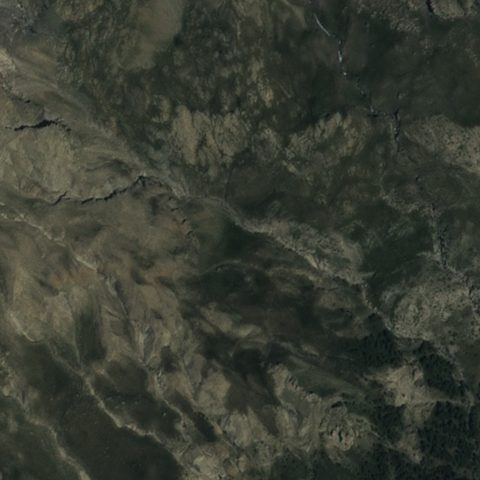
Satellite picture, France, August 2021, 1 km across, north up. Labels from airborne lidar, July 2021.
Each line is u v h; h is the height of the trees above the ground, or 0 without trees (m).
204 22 0
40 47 0
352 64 0
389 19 0
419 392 0
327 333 0
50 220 0
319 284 0
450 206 0
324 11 0
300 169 0
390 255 0
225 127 0
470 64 0
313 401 0
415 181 0
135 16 0
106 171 0
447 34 0
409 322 0
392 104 0
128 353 0
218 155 0
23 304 0
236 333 0
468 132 0
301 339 0
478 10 0
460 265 0
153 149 0
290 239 0
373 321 14
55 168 0
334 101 0
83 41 0
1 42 0
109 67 0
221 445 0
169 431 0
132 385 0
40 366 0
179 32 0
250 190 0
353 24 0
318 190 0
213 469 0
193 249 0
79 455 0
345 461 0
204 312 0
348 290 0
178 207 0
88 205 0
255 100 0
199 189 0
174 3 0
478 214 0
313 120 0
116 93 0
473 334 0
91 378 0
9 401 0
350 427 0
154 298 0
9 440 0
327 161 0
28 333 0
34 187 0
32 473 0
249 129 0
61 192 0
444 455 23
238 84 0
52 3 0
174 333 0
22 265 0
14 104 0
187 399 0
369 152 0
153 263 0
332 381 0
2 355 0
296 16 0
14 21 0
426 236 0
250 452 0
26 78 0
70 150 0
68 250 0
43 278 0
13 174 0
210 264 0
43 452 0
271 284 0
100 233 0
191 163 0
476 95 0
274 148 0
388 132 0
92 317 0
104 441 0
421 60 0
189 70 0
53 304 0
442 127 0
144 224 0
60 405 0
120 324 0
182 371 0
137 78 0
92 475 0
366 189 0
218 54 0
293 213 0
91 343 0
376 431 11
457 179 0
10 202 0
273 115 0
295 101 0
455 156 0
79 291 0
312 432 0
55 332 0
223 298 0
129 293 0
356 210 0
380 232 0
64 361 0
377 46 0
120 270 0
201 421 0
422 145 0
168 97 0
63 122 0
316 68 0
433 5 0
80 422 0
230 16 0
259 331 0
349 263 0
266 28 0
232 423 0
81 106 0
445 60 0
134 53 0
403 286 0
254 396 0
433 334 0
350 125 0
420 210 0
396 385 0
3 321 0
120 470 0
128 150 0
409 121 0
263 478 0
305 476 0
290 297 0
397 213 0
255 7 0
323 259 0
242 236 0
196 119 0
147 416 0
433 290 0
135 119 0
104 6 0
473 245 0
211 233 0
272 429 0
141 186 0
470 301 0
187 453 0
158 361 0
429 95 0
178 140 0
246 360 0
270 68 0
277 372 0
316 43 0
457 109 0
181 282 0
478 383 0
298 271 0
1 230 0
